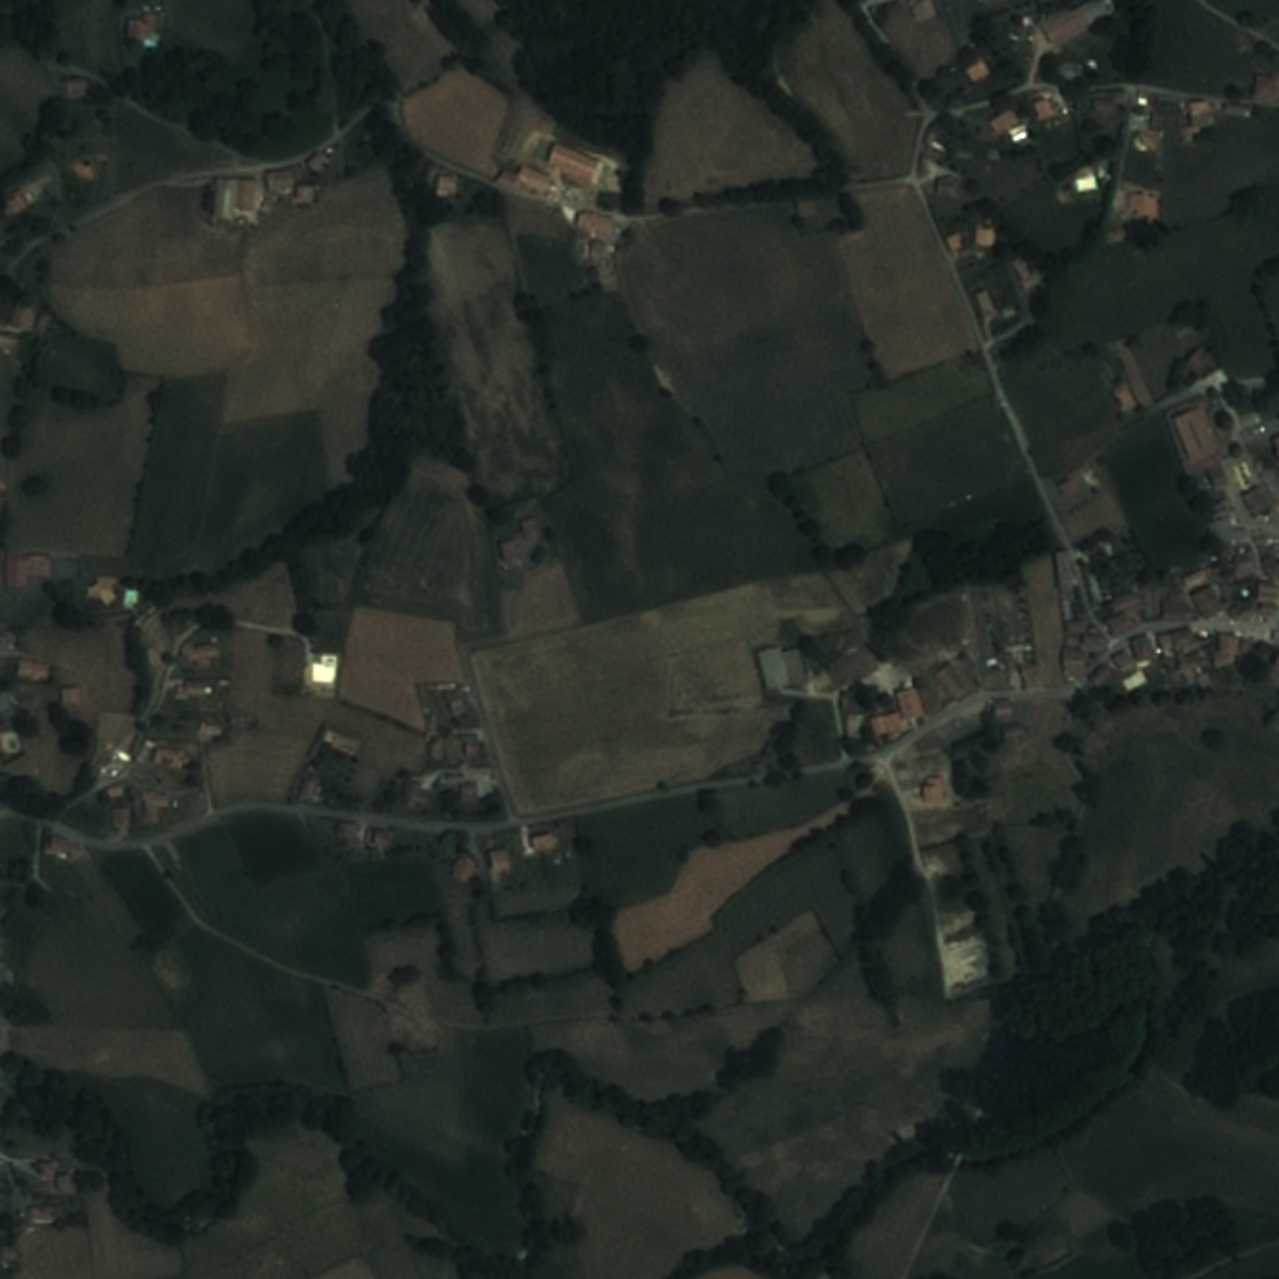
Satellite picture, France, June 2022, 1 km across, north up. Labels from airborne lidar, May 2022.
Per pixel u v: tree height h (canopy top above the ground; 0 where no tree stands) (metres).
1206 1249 13
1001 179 0
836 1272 19
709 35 13
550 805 0
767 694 0
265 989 0
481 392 0
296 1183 0
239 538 0
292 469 0
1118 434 0
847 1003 0
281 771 0
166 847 0
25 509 0
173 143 0
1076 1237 0
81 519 0
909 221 0
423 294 19
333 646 0
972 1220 0
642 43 13
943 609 0
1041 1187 0
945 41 0
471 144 0
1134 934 31
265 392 0
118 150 0
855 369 0
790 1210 0
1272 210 0
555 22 18
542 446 0
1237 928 16
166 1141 0
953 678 0
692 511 0
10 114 0
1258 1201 0
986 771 8
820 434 0
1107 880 0
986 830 0
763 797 0
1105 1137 0
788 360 0
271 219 0
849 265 0
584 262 0
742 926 0
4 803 21
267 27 18
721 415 0
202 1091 0
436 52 0
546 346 0
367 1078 0
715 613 0
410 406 17
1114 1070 33
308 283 0
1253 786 0
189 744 0
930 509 0
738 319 0
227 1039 0
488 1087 0
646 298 0
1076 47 0
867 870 0
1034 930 16
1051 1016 37
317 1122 14
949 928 0
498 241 0
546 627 0
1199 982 17
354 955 0
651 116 10
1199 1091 19
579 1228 12
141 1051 0
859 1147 0
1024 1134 25
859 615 0
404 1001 0
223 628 14
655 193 0
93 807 0
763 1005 0
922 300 0
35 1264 0
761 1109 0
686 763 0
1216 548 14
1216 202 0
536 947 0
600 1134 0
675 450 0
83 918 0
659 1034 0
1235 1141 0
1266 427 0
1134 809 0
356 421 0
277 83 0
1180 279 0
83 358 0
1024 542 13
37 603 0
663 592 0
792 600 0
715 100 0
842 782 0
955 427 0
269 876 0
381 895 0
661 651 0
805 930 0
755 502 0
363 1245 0
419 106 0
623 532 0
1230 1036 23
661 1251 0
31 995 0
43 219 8
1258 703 0
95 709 0
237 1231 0
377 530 7
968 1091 31
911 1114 0
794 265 0
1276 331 9
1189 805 0
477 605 0
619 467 0
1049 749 0
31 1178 13
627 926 0
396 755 0
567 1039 0
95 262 0
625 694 0
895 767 0
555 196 0
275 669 0
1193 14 0
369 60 21
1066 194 0
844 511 0
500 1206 0
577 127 23
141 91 10
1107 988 33
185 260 0
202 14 0
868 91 0
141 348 0
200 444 0
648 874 0
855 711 0
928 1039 0
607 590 0
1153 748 0
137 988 0
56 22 11
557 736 0
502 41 0
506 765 0
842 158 12
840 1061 0
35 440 0
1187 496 13
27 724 23
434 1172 0
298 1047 0
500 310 0
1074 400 0
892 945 0
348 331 0
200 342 0
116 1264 0
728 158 0
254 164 0
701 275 0
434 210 22
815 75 0
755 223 0
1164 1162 0
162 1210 11
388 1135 0
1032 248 15
